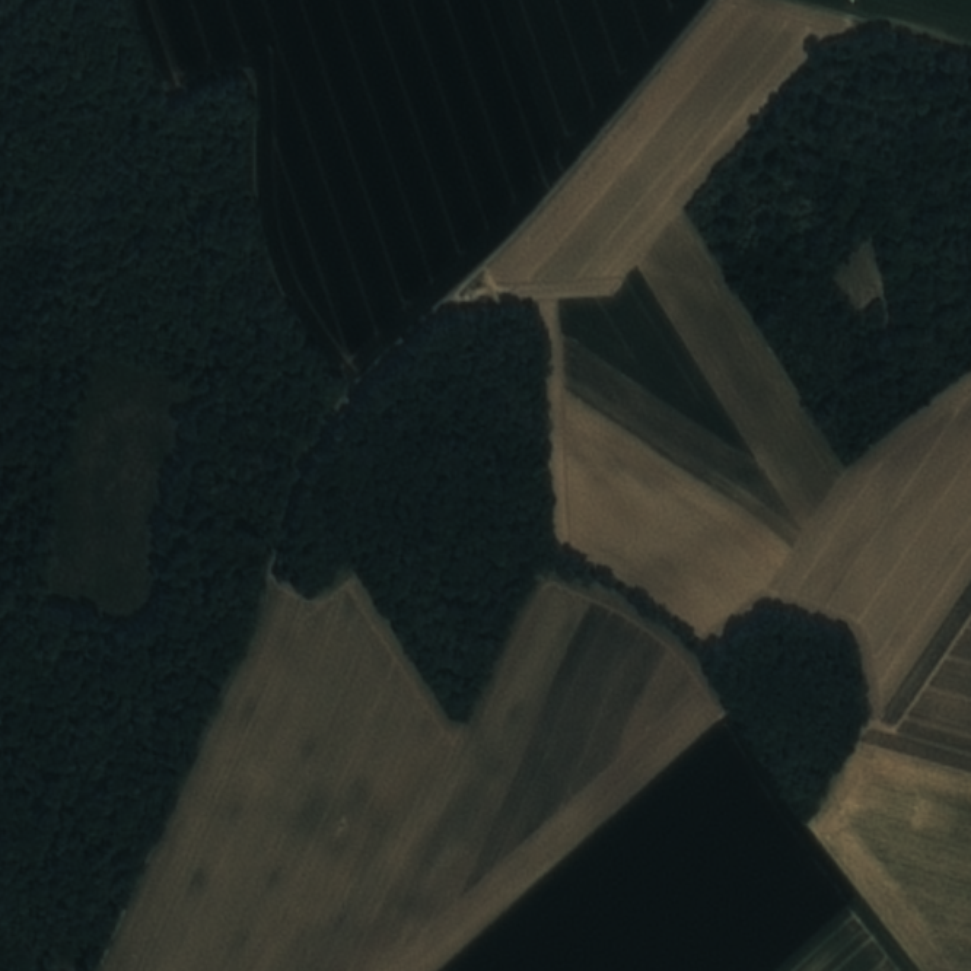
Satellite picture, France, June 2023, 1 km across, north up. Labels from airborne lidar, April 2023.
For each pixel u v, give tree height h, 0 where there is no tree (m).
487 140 0
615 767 0
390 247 0
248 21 0
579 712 0
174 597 30
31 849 24
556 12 0
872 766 0
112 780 22
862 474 0
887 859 0
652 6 0
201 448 25
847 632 17
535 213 0
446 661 18
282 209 0
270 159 0
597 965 0
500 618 22
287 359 24
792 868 0
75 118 20
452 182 0
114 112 24
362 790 0
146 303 26
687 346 0
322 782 0
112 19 23
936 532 0
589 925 0
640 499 0
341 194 0
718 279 0
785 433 0
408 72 0
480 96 0
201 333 23
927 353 9
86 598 0
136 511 0
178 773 21
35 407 25
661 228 0
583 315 0
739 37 0
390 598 21
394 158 0
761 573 0
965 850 0
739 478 0
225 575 26
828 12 0
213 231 26
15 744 21
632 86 0
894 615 0
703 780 0
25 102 26
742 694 25
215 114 18
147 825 24
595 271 0
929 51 10
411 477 27
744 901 0
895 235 12
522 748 0
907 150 23
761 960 0
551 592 0
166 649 27
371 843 0
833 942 0
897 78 22
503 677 0
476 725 0
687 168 0
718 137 0
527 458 24
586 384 0
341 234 0
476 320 15
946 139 10
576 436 0
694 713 0
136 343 22
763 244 6
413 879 0
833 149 9
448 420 23
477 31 0
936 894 0
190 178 25
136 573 0
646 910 0
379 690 0
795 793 16
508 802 0
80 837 20
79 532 0
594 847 0
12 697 26
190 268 28
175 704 16
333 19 0
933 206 21
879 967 0
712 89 0
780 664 27
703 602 0
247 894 0
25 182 23
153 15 0
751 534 0
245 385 22
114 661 28
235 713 0
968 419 0
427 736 0
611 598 0
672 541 0
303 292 0
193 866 0
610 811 0
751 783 0
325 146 0
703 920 0
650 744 0
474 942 0
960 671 0
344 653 0
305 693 0
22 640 26
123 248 27
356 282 0
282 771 0
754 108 0
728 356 0
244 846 0
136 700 27
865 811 0
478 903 0
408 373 25
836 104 7
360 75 0
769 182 12
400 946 0
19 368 26
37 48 23
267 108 0
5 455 18
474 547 27
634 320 0
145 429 0
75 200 15
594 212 0
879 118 7
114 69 24
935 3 0
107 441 0
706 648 15
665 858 0
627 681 0
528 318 17
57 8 27
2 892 24
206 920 0
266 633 0
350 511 25
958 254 19
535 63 0
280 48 0
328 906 0
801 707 28
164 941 0
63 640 19
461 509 30
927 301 22
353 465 26
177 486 24
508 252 0
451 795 0
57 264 22
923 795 0
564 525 0
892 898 0
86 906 23
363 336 0
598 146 0
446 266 0
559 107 0
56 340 25
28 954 22
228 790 0
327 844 0
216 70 0
